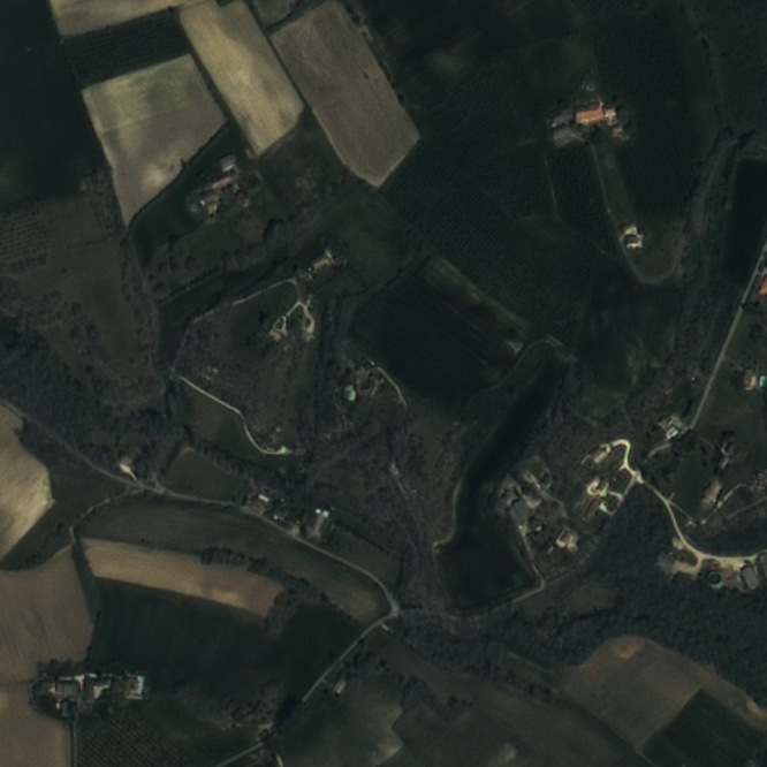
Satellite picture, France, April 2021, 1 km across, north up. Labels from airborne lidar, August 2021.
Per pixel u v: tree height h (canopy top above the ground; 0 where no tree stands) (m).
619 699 0
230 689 0
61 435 24
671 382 17
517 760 0
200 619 0
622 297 0
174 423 19
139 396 21
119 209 15
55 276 0
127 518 0
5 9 0
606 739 0
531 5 0
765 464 0
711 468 9
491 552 0
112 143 0
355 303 16
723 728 0
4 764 0
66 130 0
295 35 0
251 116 0
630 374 0
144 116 0
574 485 16
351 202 0
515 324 0
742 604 15
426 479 6
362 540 6
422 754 0
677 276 0
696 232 19
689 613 20
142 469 12
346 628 0
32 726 0
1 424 0
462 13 0
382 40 0
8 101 0
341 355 16
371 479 15
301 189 0
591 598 0
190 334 14
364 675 16
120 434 15
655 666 0
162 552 0
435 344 0
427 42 0
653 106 0
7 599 0
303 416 12
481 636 18
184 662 0
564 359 0
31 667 0
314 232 0
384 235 0
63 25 0
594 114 0
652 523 19
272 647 0
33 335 10
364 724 0
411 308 0
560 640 28
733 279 0
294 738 28
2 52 0
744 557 0
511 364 0
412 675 0
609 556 17
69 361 0
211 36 0
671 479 19
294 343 17
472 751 0
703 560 0
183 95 0
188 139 0
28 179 0
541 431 13
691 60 0
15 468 0
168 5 0
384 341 0
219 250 0
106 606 0
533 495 12
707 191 19
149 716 0
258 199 0
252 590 0
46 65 0
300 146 0
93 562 0
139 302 10
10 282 13
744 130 0
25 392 19
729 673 17
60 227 0
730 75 0
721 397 0
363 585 0
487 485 0
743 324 0
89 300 0
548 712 0
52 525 0
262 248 13
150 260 0
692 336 19
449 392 0
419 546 16
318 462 20
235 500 6
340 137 0
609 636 25
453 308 0
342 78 0
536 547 9
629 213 0
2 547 0
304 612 0
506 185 0
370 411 13
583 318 0
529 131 0
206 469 0
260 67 0
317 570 0
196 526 0
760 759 8
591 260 5
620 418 15
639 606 24
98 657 0
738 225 0
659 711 0
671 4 0
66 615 0
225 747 0
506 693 0
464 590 0
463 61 0
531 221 0
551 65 0
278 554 0
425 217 0
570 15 0
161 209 0
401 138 0
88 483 0
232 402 13
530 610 0
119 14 0
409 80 0
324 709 0
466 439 8
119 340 0
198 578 0
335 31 0
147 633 0
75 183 0
